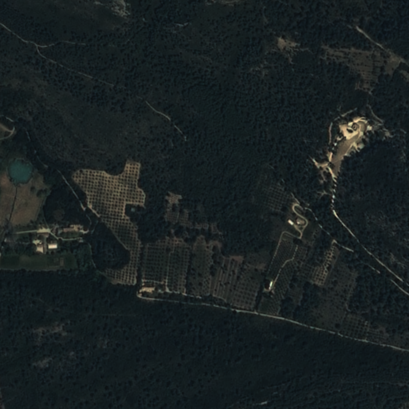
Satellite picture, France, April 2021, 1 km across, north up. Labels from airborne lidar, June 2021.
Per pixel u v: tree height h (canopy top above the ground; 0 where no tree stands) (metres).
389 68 0
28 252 17
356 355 10
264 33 9
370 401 17
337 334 5
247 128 14
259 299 6
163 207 12
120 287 6
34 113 8
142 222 6
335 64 10
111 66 8
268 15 8
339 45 12
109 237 9
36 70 8
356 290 7
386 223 6
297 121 14
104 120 0
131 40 8
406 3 18
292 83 14
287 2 13
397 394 13
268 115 14
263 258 0
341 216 12
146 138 9
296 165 13
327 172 7
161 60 13
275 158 14
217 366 7
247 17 10
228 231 9
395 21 12
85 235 6
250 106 12
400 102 9
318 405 14
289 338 13
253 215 8
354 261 18
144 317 7
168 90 9
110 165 9
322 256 6
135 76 7
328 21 18
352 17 15
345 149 0
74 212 5
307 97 10
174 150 9
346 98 8
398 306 16
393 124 12
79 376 9
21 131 9
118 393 6
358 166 8
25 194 0
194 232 15
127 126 0
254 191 13
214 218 12
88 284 8
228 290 0
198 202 14
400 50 5
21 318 12
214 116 10
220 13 0
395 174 10
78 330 0
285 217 8
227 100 14
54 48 8
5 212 0
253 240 15
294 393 11
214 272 9
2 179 0
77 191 8
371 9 17
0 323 14
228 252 6
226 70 6
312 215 8
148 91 8
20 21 11
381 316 14
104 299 10
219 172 9
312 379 11
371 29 11
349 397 12
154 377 10
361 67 0
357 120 0
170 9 11
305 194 11
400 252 11
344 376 8
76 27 0
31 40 7
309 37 9
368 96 6
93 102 13
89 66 9
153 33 14
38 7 0
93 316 8
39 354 13
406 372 11
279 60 12
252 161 13
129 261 8
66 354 5
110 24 0
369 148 12
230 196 12
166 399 5
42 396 9
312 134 9
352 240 17
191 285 7
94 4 0
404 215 9
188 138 11
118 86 7
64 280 7
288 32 7
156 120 0
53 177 15
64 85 10
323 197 8
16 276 11
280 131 9
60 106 0
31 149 12
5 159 10
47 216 11
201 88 14
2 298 13
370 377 11
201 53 11
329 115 9
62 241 6
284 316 11
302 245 15
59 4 0
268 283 9
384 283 7
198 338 6
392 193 10
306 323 19
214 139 10
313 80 10
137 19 10
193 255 9
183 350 10
